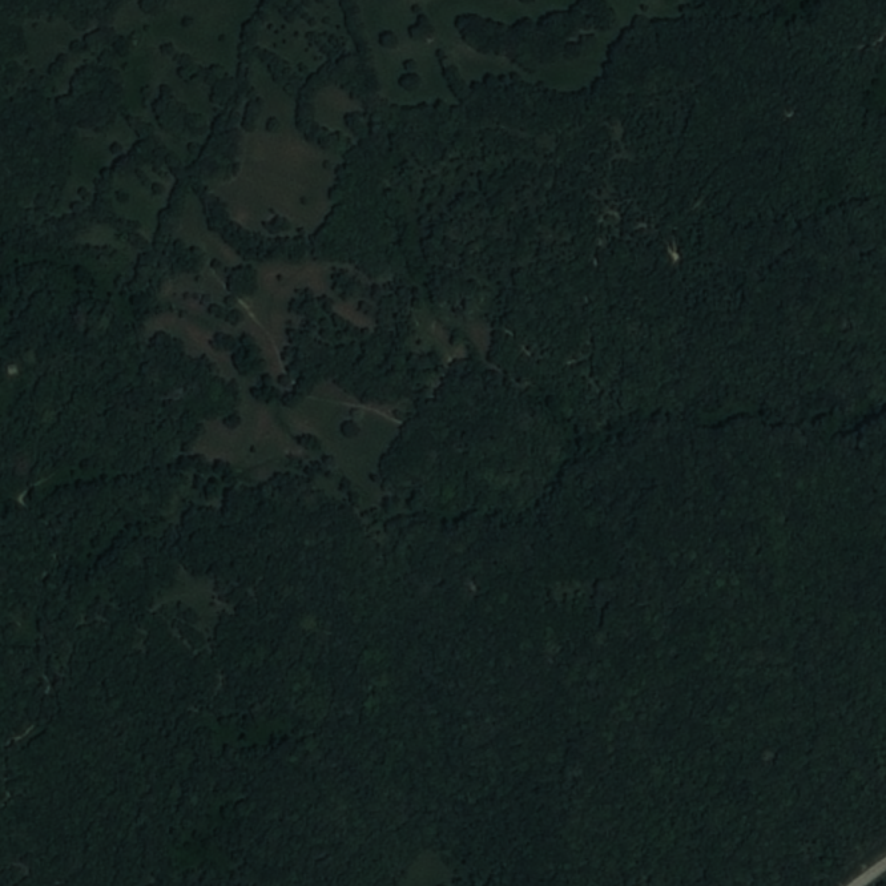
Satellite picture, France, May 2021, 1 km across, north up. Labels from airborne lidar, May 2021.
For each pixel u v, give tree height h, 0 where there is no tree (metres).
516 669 11
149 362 13
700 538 8
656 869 12
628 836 8
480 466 11
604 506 14
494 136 8
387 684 13
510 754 9
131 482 12
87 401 10
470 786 13
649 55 18
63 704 11
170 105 16
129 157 15
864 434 21
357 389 14
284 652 12
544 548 18
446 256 11
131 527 15
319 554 11
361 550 12
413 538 10
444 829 15
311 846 13
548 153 6
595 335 9
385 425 0
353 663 8
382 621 12
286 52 0
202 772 15
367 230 15
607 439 6
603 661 10
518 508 17
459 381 14
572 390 11
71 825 12
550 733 11
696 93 8
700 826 12
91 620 9
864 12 9
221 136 16
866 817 7
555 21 20
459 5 0
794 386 15
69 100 15
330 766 16
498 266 7
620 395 11
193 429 13
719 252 19
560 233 9
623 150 7
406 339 15
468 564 8
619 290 10
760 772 11
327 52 8
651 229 9
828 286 16
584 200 7
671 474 12
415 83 15
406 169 10
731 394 19
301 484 14
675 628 8
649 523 11
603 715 9
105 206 12
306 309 9
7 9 15
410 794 18
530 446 18
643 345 9
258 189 0
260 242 6
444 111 11
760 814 6
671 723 13
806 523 12
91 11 9
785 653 17
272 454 0
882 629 15
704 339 11
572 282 13
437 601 16
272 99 0
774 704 13
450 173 10
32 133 17
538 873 11
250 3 0
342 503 7
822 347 13
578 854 9
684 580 12
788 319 10
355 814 10
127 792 11
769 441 20
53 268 14
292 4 8
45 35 0
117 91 12
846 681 16
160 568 12
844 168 13
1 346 7
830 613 15
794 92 11
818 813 11
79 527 11
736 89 10
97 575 12
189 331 0
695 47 16
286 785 11
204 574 8
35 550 9
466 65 0
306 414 0
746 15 13
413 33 10
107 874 8
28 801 9
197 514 11
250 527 8
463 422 18
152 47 0
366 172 13
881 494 17
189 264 11
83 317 18
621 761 11
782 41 10
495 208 11
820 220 18
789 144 14
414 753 14
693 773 9
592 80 0
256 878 16
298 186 0
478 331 0
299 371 16
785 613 10
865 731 15
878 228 17
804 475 14
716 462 17
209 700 9
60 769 10
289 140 0
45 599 11
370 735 13
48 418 13
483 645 8
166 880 17
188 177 13
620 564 8
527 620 9
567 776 10
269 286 0
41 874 9
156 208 0
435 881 0
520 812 11
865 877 0
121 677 9
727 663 11
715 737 11
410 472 13
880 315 12
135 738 12
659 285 9
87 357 7
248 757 8
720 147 11
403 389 10
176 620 7
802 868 12
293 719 11
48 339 10
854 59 11
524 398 15
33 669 15
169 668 11
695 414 13
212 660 9
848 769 6
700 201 9
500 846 13
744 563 10
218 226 15
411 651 14
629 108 11
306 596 13
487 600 10
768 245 20
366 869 16
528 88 16
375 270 17
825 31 8
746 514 14
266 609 9
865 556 13
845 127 13
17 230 13
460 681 11
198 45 0
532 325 10
